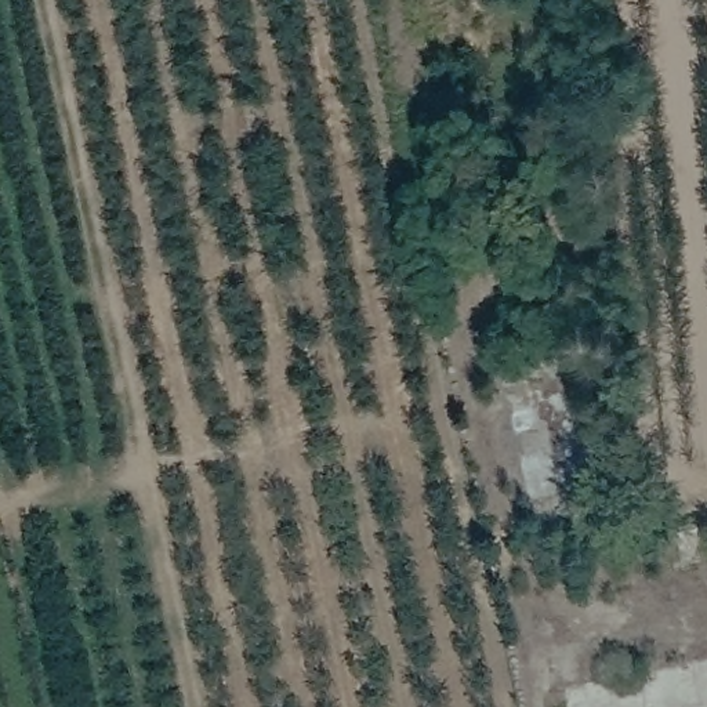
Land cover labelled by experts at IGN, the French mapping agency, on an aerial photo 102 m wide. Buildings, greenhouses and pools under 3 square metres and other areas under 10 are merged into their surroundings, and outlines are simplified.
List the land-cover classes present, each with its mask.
<instances>
[{"label":"deciduous trees","instance_id":"1","mask_svg":"<svg viewBox=\"0 0 707 707\"><path fill-rule=\"evenodd\" d=\"M124 453L122 406L113 392V376L108 365L99 318L91 304L86 251L75 210V191L66 174V155L55 116V99L50 91L44 50L36 28L33 0H0V489H17L30 472L39 469L61 472L75 469L80 464L102 467L108 458ZM61 17L69 25L66 44L75 58L77 108L86 127L88 160L94 166V177L102 193L105 235L119 262V287L127 304V331L138 354V373L144 378L149 436L157 453H177L180 436L174 428L171 398L160 381V362L155 356L157 337L149 323L144 284L138 224L130 207V191L124 180V152L116 138V119L108 102V75L102 66L97 33L88 28L86 0H55ZM113 8V36L124 58L127 102L141 144V177L152 199V221L157 226V246L166 260L168 279L174 296V323L182 356L188 362L191 389L202 414L207 417V436L218 445L235 442L240 436V414L229 406V398L218 384L213 367V340L204 318V279L199 273L196 232L185 204L182 171L174 157L168 105L157 83L155 41L146 19L149 0H108ZM163 30L171 47L177 97L188 113L218 110L215 72L210 69L204 50L207 22L204 11L196 8V0H163ZM218 19L224 25V50L229 64L235 66V102L249 105L268 102L271 91L268 80L262 77V66L257 64V39L251 28L249 0H215ZM276 58L287 77V113L304 155L301 174L309 191L315 229L326 257L323 284L334 323V342L340 345L345 381L351 384V400L356 403V409L373 414H381V400L376 395L373 376L365 373L373 331L365 323L359 284L351 265L348 224L342 202L337 196V177L331 171V135L318 94L304 0H262ZM519 11L533 14L530 30L500 33V39L489 47L492 52H511V66L530 72L536 80V88L516 108L505 102V75H492L486 69L483 55L464 39L428 41V47L420 52L423 66L417 83L431 77H450V86L458 97V105L445 119L411 127V97L395 80H381L389 119L392 160L387 163L378 157L376 124L370 116V94L362 72L356 28L348 0H326L331 58L340 69L331 77V83L337 88L340 102L348 110V141L356 152L354 166L362 174L359 196L367 215L365 238L370 243L378 284H406V296L395 293L387 301V312L392 318V337L400 356L403 384L411 392L406 423L411 428L414 442L423 450L425 503L431 511L428 522L434 530V550L445 577L442 602L453 619L450 641L458 652L461 671L467 674L469 707H494L492 679L481 643L478 605L469 583V561H483L486 591L497 613L503 646L516 643L519 635L508 597L525 594L527 585L519 566H511V572L503 577L500 572H492L500 561L492 536L494 516L486 514L483 489L478 483H467L472 519L469 525L458 522L445 461L442 442L428 409L423 340L434 334L436 340H442L453 331L458 301L456 290L461 284H467L472 276H483L492 271L494 287L503 293L497 318L486 329V342L475 345L467 370L472 392L481 403H492L494 378L519 381L539 365H552L558 376L563 384V400L572 411V428L577 431V439L585 447V467L572 475L574 514L555 516L533 511L522 483L511 481L503 467L494 472L500 492L511 500L505 544L511 555L522 552L530 558L539 585L544 591H550L552 585H563L572 602L585 605L594 569H608V577L599 583V599L610 605L619 594L627 591V574L655 577L660 572V550L671 539H677L679 530L699 527L707 536V503L690 514L677 511L674 500L679 497V492L666 478V461L671 447L668 428H655L646 436L638 434V417H643L646 411L663 414V384L657 362V293L666 290L674 331L671 359L677 406L682 417V458H693L688 370L690 320L688 309L682 307L685 273L679 271L682 224L674 213V180L668 166V144L663 133L660 80L649 61V0H508ZM635 119L646 124V160H638L632 152H619V138L632 130ZM552 207L563 229L561 243H569L580 251L594 249L597 265H566V260L558 254V240L550 235L544 215ZM699 11L690 19V30L699 47V61L693 69L696 141L701 146V155L707 157V0H690ZM238 146L243 157V180L251 193V207L260 229L262 262L271 279L279 282L307 265L304 238L293 204V185L287 177L284 138L268 127L265 119H254L251 133H246L238 141ZM199 174L202 210L213 218L215 235L226 257H249L240 204L229 191V157L221 133L213 124H204L199 133V152L193 160ZM218 312L232 334V351L240 362L265 359L268 345L262 331L260 298L251 293L246 273L226 271L218 287ZM287 384L298 392L307 417L304 461L312 472L318 525L329 541V558L340 566V572L348 574L365 569V550L356 527L359 516L354 489L342 467V439L331 428L334 395L329 381L320 376L318 367H312L307 356V345L318 342L320 331L318 320L309 312L290 309ZM362 475L370 492L373 514L378 519L376 539L387 552L392 616L398 624L400 643L409 655L406 682L417 696V707H450L445 685L431 674L434 632L414 574L409 536L400 533V492L395 489L387 456L376 453L370 458H362ZM202 472L215 492L218 539L224 544L221 572L224 583L235 597L232 605L235 621L243 632L249 688L254 690L260 707H298L290 685L273 674V663L279 657V638L273 627V608L265 597L262 561L251 547V533L246 530L249 503L243 472L240 467L235 469L226 461H210L202 464ZM157 486L168 505L166 519L171 530V558L180 572V591L188 613V638L202 652L199 677L204 682L207 707H232V696L224 685L226 632L213 616V599L204 585L202 527L188 492V475L182 464L160 467ZM260 489L268 492V505L276 514V533L282 541L279 563L287 583L307 580L301 530L296 525V489L290 481L273 475L260 483ZM0 707H182L177 668L163 624V608L155 594L149 552L144 547L141 511L133 494L119 492L108 500V505L88 503L77 511H72L69 505H33L28 508V514H22V519L11 514L0 522ZM337 599L345 610L351 641L345 649V666L362 682L359 707H384L389 693V655L387 646H381L373 635L370 619L365 616V605L373 602V588L356 585L354 591H340ZM296 641L304 652L307 666V685L315 693V707H334L329 696L331 674L326 668V632L323 627H296ZM591 682L613 690L616 696H632L649 682V660L635 643L605 638L591 655Z\"/></svg>","mask_w":707,"mask_h":707},{"label":"herbaceous vegetation","instance_id":"2","mask_svg":"<svg viewBox=\"0 0 707 707\"><path fill-rule=\"evenodd\" d=\"M88 28L97 33L102 66L108 75V102L116 119V138L124 152V180L130 191V207L138 224L144 284L157 276L168 279L166 260L157 246V226L152 221V199L141 177V144L127 102L124 58L113 36V8L108 0H86ZM251 28L257 39V64L262 66V77L268 80L271 91L268 102L249 105L235 102V66L229 64L224 50V25L218 19L215 0H196V8L204 11L207 22L204 50L210 69L215 72L218 110L188 113L177 97L171 47L163 30V0H149L146 19L155 41L157 83L168 105L174 157L182 171L185 204L196 232L199 273L204 279V318L213 340V367L218 384L229 398V406L240 414V436L235 442L218 445L210 461H226L235 469L240 467L243 472L249 503L246 530L251 533V547L262 561L265 597L273 608V627L279 638V657L273 663V674L290 685L298 707H315V693L307 685V666L304 652L296 641V627H323L326 632V668L331 674L329 696L334 707H359L362 682L345 666V649L351 641L345 610L337 599L340 591H354L356 585L373 588V602L365 605V616L370 619L373 635L381 646H387L389 655V693L384 707H417V696L406 682L409 655L400 643L398 624L392 616L387 552L376 539L378 519L373 514L370 492L362 475V458H370L376 453L387 456L395 489L400 492V533L409 536L414 574L434 632L431 674L445 685L450 707H469L467 674L461 671L458 652L450 641L453 619L442 602L445 577L434 550V530L428 522L431 511L425 503L423 450L414 442L411 428L406 423L411 392L403 384L400 356L392 337V318L387 312V301L395 293L406 296V284H378L370 243L365 238L367 215L359 196L362 174L354 166L356 152L348 141V110L340 102L337 88L331 83V77L340 69L331 58L326 0H304L318 94L331 135V171L337 177V196L342 202L348 224L351 265L359 284L365 323L373 331L365 373L373 376L376 395L381 400V414H373L356 409V403L351 400V384L345 381L340 345L334 342V323L323 284L326 257L315 229L309 191L301 174L304 155L287 113V77L276 58L262 0H249ZM254 119H265L268 127L284 138L287 177L293 185V204L304 238L307 265L279 282L271 279L262 262L260 229L251 207V193L243 180V157L238 146V141L246 133H251ZM204 124H213L221 133L229 157V191L240 204L249 257H226L215 235L213 218L202 210L199 174L193 160L199 152V133ZM226 271L246 273L251 293L260 298L262 331L268 345L265 359L240 362L232 351V334L218 312V287ZM290 309L309 312L318 320L320 331L318 342L307 345V356L312 367H318L320 376L329 381L334 395L331 428L342 439V467L354 489L359 516L356 527L365 550V569L348 574L340 572V566L329 558V541L318 525L312 472L304 461L307 417L298 392L287 384ZM273 475L290 481L296 489V525L301 530L307 580L287 583L279 563L282 541L276 533V514L268 505V492L260 489V483ZM356 28L362 72L370 94V116L376 124L378 157L387 163L392 160L389 119L381 80L365 0H348ZM649 61L660 80L663 133L668 144V166L674 180V213L682 224L679 271L685 273L682 307L688 309L690 320L688 370L693 458H682V417L677 406L671 359L674 331L666 290L657 293V362L663 384V414L646 411L643 417H638V434L646 436L655 428H668L671 447L666 461V478L679 492V497L674 500L677 511L690 514L707 503V157L701 155V146L696 141L693 69L699 61V47L690 30V19L699 11L690 0H649ZM619 152H632L638 160H646V124L635 119L632 130L619 138ZM544 215L550 235L558 240V254L566 260V265H597L594 249L580 251L569 243H561L563 229L552 207ZM458 522L469 525L472 519L467 483L461 458L445 461ZM188 492L202 527L204 585L213 599V616L226 632L224 685L232 696V707H260L254 690L249 688L243 632L235 621L232 605L235 597L224 583L221 572L224 544L218 539L215 492L202 472V464L188 475ZM608 577V569H594L585 605L572 602L563 585H552L550 591H544L525 594L508 597L519 635L516 643L503 646L497 613L486 591L483 561H469V583L478 605L481 643L492 679L494 707H566L569 690L591 682V655L605 638L635 643L649 660V674L699 660L707 663V536L699 527L679 530L677 539H671L660 550V572L655 577L627 574V591L619 594L610 605L599 599V583Z\"/></svg>","mask_w":707,"mask_h":707},{"label":"pervious surface","instance_id":"3","mask_svg":"<svg viewBox=\"0 0 707 707\"><path fill-rule=\"evenodd\" d=\"M36 28L44 50L50 91L55 99V116L66 155V174L75 191V210L86 251L91 304L99 318L108 365L113 376V392L122 406L124 453L108 458L102 467L80 464L75 469L61 472L39 469L30 472L17 489H0V522L11 514L22 519V514H28V508L33 505H69L72 511H77L88 503L108 505V500L119 492L133 494L141 511L144 547L149 552L155 594L163 608V624L177 668L182 707H207L204 682L199 677L202 652L188 638V613L180 591V572L171 558V530L166 519L168 505L157 486L160 467L182 464L188 475L202 464L210 461L218 445L207 436V417L202 414L191 389L188 362L182 356L174 323V296L168 279L157 276L144 284L149 323L157 337L155 356L160 362V381L171 398L174 428L180 436L177 453H157L149 436L144 378L138 373V354L127 331V304L119 287V262L105 235L102 193L94 177V166L88 160L86 127L77 108L75 58L66 44L69 25L61 17L55 0H33ZM458 301L453 331L442 340H436L434 334L423 340L428 409L442 442L445 461L461 458L467 483H478L483 489L486 514L494 516L492 536L500 561L492 572H500L503 577L511 572V566H519L527 585L525 594L544 591L539 585L530 558L522 552L511 555L505 544L511 500L500 492L494 472L503 467L511 481L522 483V439L511 425V414L514 409L536 411L539 403H550V395H544V384L552 376H558L552 365H539L519 381L494 378L492 403H481L472 392L467 370L475 345L486 342V329L497 318L503 293L494 287L492 271L483 276H472L467 284H461L456 290Z\"/></svg>","mask_w":707,"mask_h":707},{"label":"brushwood","instance_id":"4","mask_svg":"<svg viewBox=\"0 0 707 707\"><path fill-rule=\"evenodd\" d=\"M381 80H395L411 97V127L445 119L458 105V97L450 86V77H431L417 83L423 66L420 52L428 47V41L464 39L483 55L486 69L492 75H505V102L516 108L536 88V80L530 72L511 66V52H492L489 47L500 39V33L530 30L533 14L519 11L508 0H365Z\"/></svg>","mask_w":707,"mask_h":707},{"label":"impervious surface","instance_id":"5","mask_svg":"<svg viewBox=\"0 0 707 707\"><path fill-rule=\"evenodd\" d=\"M544 395H550V403H539L536 411L514 409L511 414V425L522 439V483L533 511L555 516L574 514L572 475L585 467V447L577 439V431L572 428V411L563 400V384L558 376H552L544 384ZM566 707H707V663L699 660L649 674V682L632 696H616L613 690L591 682L569 690Z\"/></svg>","mask_w":707,"mask_h":707}]
</instances>
